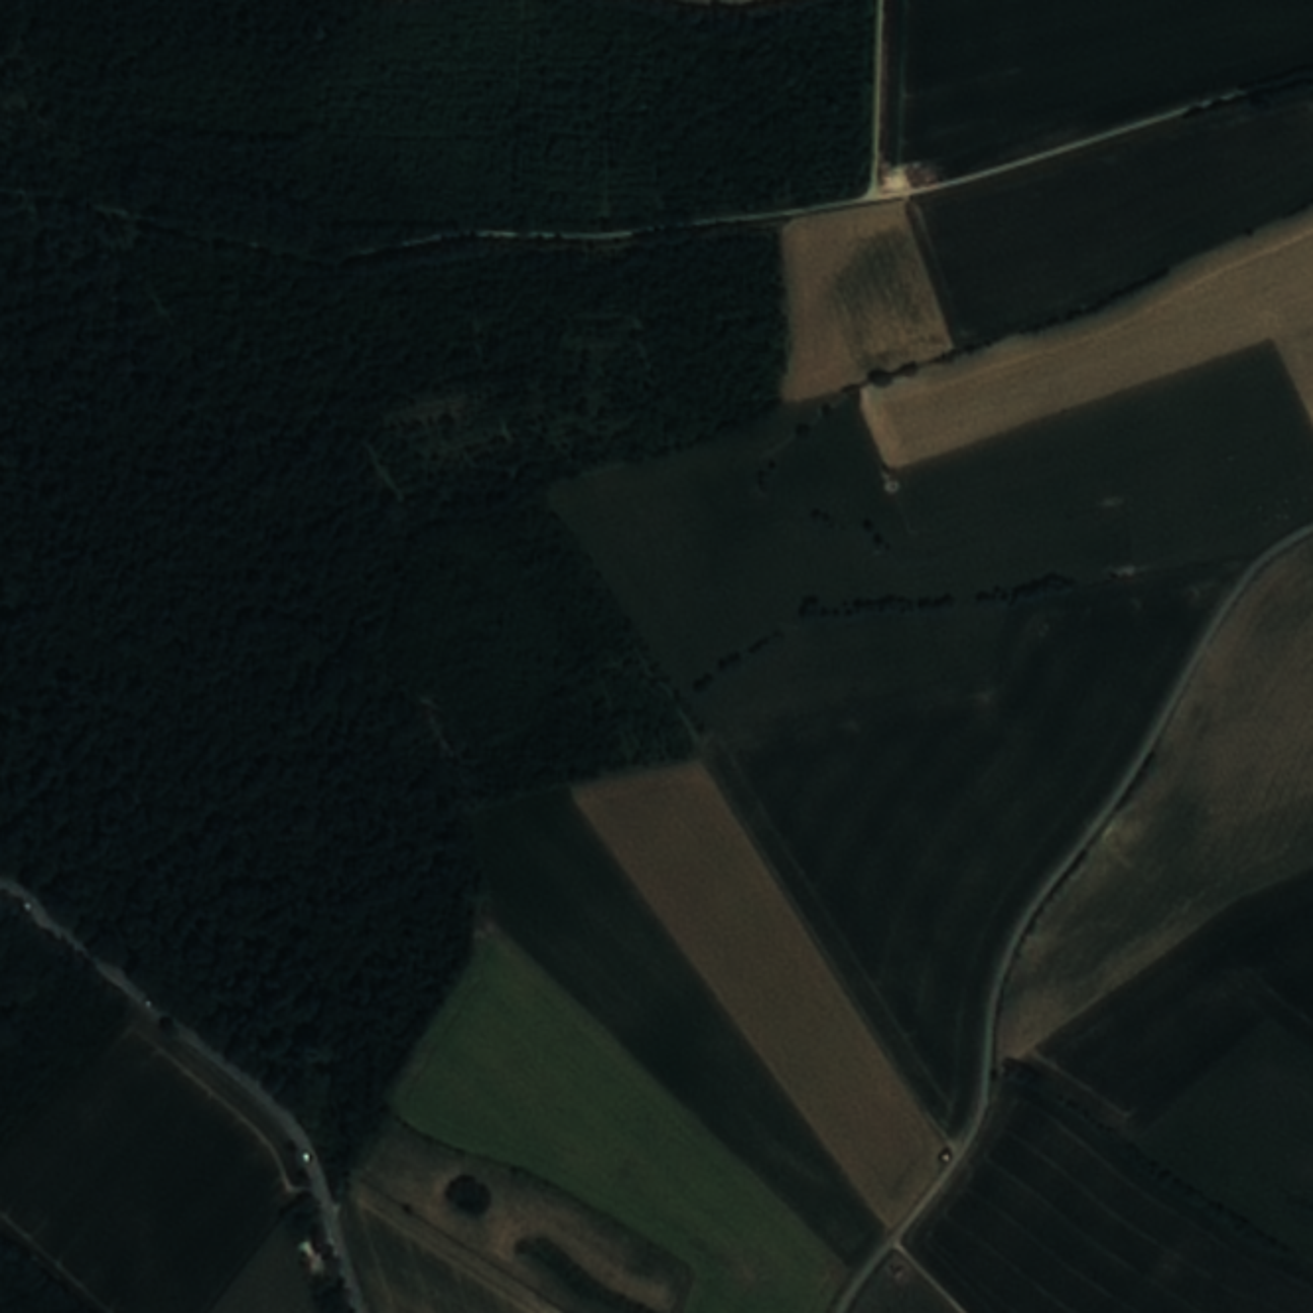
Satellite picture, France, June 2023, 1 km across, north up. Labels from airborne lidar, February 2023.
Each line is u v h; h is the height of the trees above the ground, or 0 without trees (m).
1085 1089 0
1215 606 0
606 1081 0
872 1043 0
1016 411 0
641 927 0
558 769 7
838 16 11
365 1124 15
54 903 26
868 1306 0
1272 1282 0
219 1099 0
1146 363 0
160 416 17
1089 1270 0
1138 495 0
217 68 8
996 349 0
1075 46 0
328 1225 0
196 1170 0
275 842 18
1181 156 0
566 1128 0
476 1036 0
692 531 0
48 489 23
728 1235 0
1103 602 0
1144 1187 0
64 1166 0
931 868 0
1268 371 0
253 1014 22
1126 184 0
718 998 0
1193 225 0
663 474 0
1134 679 0
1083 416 0
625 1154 0
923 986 0
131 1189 0
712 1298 0
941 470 0
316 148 7
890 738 0
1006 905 0
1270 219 0
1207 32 0
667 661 0
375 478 17
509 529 10
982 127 0
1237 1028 0
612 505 0
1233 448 0
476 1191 11
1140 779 5
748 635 0
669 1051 0
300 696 19
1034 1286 0
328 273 10
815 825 0
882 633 0
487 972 0
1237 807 0
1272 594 0
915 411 0
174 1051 0
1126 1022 0
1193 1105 0
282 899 20
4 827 21
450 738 13
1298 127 0
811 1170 0
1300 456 0
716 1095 0
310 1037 25
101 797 21
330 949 20
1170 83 0
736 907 0
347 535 18
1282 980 0
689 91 8
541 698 11
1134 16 0
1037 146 0
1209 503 0
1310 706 0
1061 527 0
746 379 7
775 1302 0
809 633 0
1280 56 0
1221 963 0
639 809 0
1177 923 0
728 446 0
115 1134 0
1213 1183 0
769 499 0
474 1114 0
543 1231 0
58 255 18
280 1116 0
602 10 7
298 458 18
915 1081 0
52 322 25
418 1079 0
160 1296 0
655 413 9
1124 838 0
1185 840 0
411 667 13
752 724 0
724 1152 0
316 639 16
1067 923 0
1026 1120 0
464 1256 0
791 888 0
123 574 20
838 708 0
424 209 6
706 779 0
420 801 18
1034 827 0
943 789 0
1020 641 0
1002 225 0
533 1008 0
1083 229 0
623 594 0
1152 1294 0
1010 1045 0
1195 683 0
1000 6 0
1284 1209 0
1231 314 0
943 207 0
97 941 28
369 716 19
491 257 6
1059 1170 0
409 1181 0
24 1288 22
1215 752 0
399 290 10
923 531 0
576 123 9
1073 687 0
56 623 18
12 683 18
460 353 9
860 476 0
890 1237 0
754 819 0
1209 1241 0
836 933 0
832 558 0
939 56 0
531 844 0
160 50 10
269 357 11
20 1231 0
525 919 0
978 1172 0
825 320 0
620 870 0
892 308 0
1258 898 0
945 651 0
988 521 0
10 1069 19
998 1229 0
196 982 23
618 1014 0
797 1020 0
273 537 18
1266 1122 0
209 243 6
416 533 10
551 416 6
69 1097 0
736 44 6
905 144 0
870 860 0
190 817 21
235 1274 0
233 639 20
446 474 10
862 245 0
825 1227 0
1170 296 0
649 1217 0
